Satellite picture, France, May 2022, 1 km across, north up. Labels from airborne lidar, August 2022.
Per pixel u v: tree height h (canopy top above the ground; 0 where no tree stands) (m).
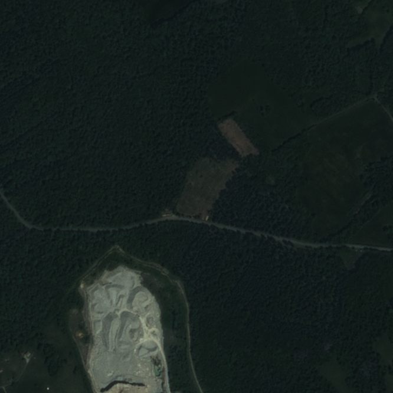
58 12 20
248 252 20
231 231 9
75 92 11
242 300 23
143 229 17
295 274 6
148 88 15
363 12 10
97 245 13
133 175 6
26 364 0
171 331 0
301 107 13
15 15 18
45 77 15
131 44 15
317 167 0
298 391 19
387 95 9
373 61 15
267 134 0
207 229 18
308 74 16
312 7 8
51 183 21
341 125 0
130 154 15
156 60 12
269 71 16
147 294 0
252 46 18
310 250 11
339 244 13
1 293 21
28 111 15
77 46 15
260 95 0
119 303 0
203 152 12
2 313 16
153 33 24
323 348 25
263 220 22
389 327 7
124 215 12
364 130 0
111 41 12
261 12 20
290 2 17
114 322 0
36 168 19
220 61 19
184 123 13
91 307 0
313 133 0
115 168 8
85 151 16
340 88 14
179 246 6
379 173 17
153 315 0
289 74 21
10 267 20
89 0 18
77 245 16
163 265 13
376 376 17
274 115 0
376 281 15
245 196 22
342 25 9
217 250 21
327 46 11
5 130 15
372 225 0
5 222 17
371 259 18
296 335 17
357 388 16
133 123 19
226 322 10
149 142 17
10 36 16
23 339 15
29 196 16
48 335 0
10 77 15
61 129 17
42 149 19
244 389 11
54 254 12
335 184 0
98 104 16
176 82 15
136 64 12
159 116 17
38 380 0
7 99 20
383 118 0
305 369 11
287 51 16
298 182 14
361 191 0
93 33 23
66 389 0
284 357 17
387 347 0
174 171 13
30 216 15
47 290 20
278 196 17
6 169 21
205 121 17
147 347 0
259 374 7
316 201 0
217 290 15
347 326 7
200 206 0
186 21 23
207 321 13
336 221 0
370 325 6
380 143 0
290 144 12
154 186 16
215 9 14
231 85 0
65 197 17
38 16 19
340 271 15
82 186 16
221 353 12
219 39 15
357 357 17
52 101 18
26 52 18
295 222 8
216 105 0
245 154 0
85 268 13
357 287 13
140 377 0
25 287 17
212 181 0
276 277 20
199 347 18
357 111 0
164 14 0
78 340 0
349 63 12
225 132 0
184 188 6
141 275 0
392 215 0
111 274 0
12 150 16
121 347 0
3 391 0
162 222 8
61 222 17
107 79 10
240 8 19
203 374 8
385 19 0
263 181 16
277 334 17
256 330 18
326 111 12
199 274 19
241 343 15
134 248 16
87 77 12
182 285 0
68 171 18
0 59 18
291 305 14
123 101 15
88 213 13
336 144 0
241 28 19
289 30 18
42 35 15
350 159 0
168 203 14
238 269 20
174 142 13
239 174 20
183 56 17
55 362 9
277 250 10
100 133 14
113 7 19
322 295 14
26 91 14
